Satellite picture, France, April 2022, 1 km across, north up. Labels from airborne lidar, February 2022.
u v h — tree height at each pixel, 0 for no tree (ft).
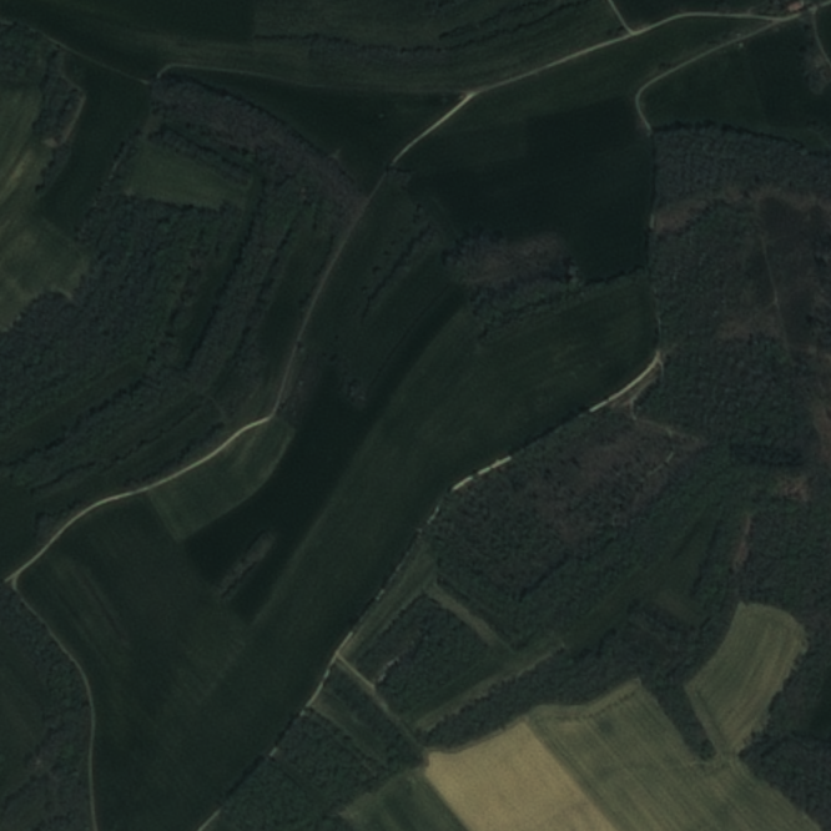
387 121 0
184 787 0
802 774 55
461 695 0
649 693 37
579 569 65
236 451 0
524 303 68
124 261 60
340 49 62
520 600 43
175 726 0
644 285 0
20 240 0
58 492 36
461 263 65
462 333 0
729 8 45
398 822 0
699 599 59
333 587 0
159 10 0
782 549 55
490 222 0
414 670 73
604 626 0
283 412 24
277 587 0
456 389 0
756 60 0
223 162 49
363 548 0
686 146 66
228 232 64
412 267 24
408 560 44
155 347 50
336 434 0
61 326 64
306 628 0
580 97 0
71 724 54
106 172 0
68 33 0
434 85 0
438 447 0
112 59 0
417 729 0
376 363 0
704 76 0
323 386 0
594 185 0
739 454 68
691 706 57
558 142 0
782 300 0
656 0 0
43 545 38
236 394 0
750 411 45
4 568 0
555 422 0
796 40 0
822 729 0
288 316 0
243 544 0
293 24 0
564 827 0
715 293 47
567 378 0
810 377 38
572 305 35
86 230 23
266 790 65
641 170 0
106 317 47
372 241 0
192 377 61
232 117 72
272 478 0
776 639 0
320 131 0
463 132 0
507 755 0
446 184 0
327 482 0
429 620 18
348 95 0
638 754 0
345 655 0
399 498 0
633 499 55
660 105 0
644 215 0
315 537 0
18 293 0
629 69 0
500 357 0
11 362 61
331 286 0
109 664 0
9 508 0
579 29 0
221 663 0
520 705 59
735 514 66
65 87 63
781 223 0
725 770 0
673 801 0
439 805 0
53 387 44
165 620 0
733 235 48
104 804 0
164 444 0
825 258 80
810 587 52
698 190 55
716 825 0
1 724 0
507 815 0
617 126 0
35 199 0
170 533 0
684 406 45
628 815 0
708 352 41
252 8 0
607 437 0
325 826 56
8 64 52
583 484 0
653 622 68
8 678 0
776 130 0
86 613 0
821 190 64
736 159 57
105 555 0
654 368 0
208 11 0
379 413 0
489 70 0
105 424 54
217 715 0
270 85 0
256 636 0
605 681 55
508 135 0
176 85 57
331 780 48
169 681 0
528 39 0
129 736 0
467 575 51
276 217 57
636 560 67
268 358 60
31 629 43
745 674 0
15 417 58
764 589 41
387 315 0
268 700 0
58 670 45
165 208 44
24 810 56
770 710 0
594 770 0
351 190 95
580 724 0
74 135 0
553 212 0
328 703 0
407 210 0
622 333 0
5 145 0
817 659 65
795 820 0
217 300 0
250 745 0
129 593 0
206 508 0
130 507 0
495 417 0
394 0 0
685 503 61
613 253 0
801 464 71
